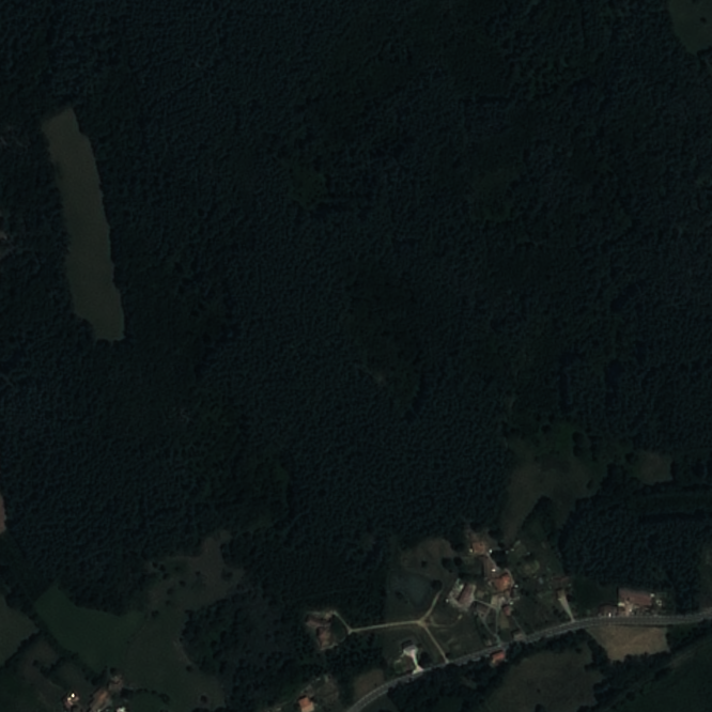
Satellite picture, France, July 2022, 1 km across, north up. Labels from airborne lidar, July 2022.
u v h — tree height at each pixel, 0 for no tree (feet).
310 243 109
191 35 92
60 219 90
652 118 61
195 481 27
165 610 0
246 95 100
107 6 132
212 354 107
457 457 90
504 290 62
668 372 72
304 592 37
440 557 0
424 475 88
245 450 79
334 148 85
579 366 115
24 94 59
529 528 23
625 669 57
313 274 115
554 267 78
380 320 60
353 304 73
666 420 79
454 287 75
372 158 101
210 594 0
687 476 24
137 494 78
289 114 125
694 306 84
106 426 53
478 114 43
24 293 60
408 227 95
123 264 72
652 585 68
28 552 77
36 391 83
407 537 88
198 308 28
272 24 111
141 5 109
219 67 104
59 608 0
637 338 65
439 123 119
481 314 100
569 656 0
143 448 65
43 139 63
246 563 45
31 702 0
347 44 47
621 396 110
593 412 109
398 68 71
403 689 56
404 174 82
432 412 98
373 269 81
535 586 0
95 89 67
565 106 73
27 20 103
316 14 89
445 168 48
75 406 57
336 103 59
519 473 0
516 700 0
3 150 20
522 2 90
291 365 110
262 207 85
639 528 111
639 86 95
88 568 93
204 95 77
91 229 0
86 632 0
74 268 0
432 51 75
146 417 47
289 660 29
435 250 35
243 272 112
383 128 108
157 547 97
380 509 100
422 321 73
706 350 104
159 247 73
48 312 62
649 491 64
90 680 22
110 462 97
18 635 0
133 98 61
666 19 56
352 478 111
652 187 70
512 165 63
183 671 0
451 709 0
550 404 26
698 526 99
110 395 53
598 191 94
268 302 104
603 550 94
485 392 100
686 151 49
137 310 53
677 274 67
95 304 0
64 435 76
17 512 74
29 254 47
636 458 40
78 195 0
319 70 86
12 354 34
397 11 79
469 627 0
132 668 0
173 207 79
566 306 85
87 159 0
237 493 44
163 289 47
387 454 104
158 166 70
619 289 36
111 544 99
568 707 0
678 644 19
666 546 106
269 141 52
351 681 35
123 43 78
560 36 84
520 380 22
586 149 88
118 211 63
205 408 31
